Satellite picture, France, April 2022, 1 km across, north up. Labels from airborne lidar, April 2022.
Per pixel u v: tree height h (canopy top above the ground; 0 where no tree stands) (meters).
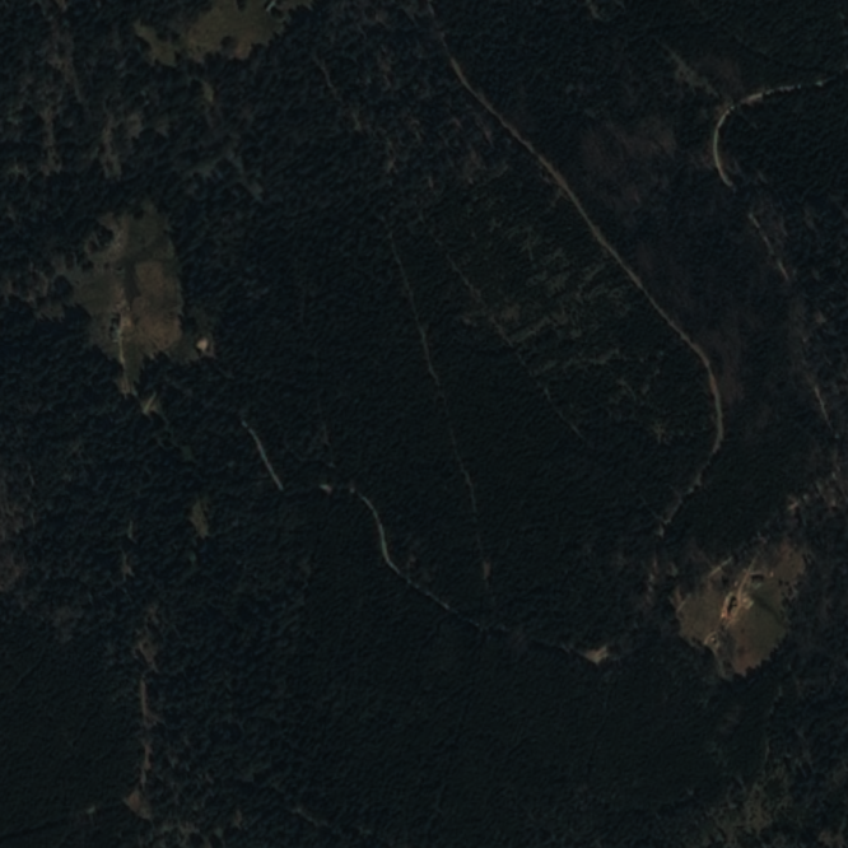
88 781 22
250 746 36
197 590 19
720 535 12
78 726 18
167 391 27
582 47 10
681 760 20
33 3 20
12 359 35
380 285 10
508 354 15
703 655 16
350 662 17
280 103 11
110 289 0
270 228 14
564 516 12
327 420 12
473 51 14
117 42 25
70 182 31
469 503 12
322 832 17
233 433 20
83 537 26
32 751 23
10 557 29
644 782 20
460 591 11
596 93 21
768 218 26
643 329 13
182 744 34
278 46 15
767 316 13
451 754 19
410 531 14
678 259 16
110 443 35
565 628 14
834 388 15
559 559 12
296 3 0
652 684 21
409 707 15
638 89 16
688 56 20
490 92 25
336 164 19
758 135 16
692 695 23
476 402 8
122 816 21
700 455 14
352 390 13
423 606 14
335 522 13
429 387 9
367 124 16
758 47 14
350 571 17
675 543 24
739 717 17
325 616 13
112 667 14
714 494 12
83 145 19
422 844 23
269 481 17
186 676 11
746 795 32
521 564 10
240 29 0
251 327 19
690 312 13
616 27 14
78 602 27
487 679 18
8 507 15
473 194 6
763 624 0
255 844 27
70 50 25
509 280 6
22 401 24
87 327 21
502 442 7
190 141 19
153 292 0
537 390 9
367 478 9
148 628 32
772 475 11
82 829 19
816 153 12
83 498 35
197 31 0
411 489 8
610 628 13
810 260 18
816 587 24
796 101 14
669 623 17
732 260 18
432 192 21
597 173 14
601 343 5
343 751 20
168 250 0
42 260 18
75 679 19
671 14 17
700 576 17
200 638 37
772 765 9
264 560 21
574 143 14
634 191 20
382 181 25
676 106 13
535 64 14
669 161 22
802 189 12
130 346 0
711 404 8
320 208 14
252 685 28
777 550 26
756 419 15
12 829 14
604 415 14
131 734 19
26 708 21
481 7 20
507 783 15
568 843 23
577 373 6
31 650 21
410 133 22
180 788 12
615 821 22
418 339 8
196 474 6
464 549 12
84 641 21
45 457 32
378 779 15
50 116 11
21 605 24
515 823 16
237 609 9
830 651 25
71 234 37
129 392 0
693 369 12
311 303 11
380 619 12
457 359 8
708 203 20
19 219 19
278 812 29
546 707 18
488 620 16
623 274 12
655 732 20
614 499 13
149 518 29
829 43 16
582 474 15
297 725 9
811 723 27
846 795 7
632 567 14
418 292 8
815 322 29
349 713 21
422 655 14
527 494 10
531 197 13
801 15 14
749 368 13
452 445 7
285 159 21
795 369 15
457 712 17
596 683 18
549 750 17
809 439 13
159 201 25
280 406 13
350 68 19
